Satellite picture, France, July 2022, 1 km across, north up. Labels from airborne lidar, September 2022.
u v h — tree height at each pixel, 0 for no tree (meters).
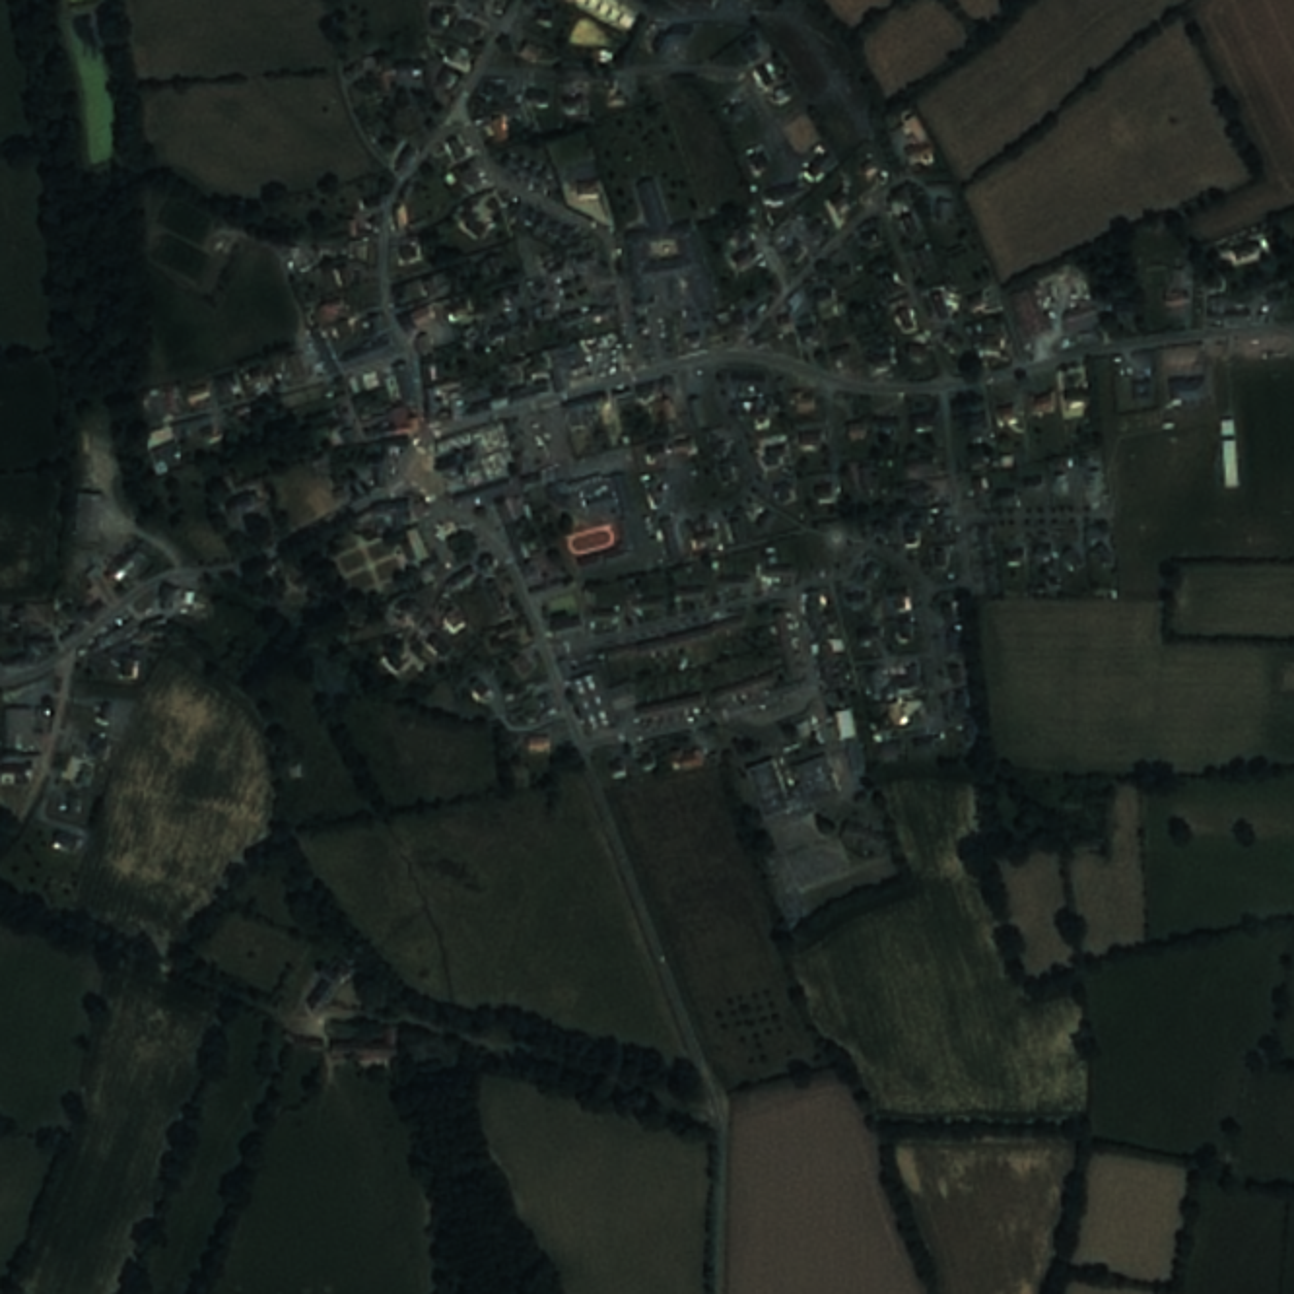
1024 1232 0
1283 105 0
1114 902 0
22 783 0
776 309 0
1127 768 0
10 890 16
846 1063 14
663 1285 0
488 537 0
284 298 0
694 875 0
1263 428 0
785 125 0
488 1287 25
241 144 0
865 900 7
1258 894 0
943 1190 0
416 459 0
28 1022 0
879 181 0
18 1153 0
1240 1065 0
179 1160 16
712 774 0
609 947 0
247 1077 0
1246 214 0
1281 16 0
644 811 0
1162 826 0
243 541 7
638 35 10
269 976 0
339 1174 0
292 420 17
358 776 12
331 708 12
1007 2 12
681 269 0
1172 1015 0
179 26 0
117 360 22
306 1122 0
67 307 15
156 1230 17
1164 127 0
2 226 0
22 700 0
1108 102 0
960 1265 0
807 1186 0
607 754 0
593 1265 0
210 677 14
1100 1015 0
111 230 24
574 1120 0
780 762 0
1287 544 0
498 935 0
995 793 16
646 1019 0
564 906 0
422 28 0
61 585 7
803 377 0
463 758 0
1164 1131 0
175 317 0
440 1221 12
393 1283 0
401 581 13
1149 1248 0
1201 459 0
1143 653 0
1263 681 0
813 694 0
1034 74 0
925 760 0
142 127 9
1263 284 19
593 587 7
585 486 0
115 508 0
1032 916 0
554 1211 0
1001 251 0
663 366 0
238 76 8
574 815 0
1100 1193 0
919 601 0
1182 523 0
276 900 0
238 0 0
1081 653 0
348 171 0
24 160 21
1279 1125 0
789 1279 0
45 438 0
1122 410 0
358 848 0
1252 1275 0
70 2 0
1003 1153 0
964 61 6
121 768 0
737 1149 0
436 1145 30
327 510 0
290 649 24
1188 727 0
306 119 0
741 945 0
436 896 0
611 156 6
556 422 0
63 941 20
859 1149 0
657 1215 0
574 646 0
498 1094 0
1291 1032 0
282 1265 0
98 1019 19
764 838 15
